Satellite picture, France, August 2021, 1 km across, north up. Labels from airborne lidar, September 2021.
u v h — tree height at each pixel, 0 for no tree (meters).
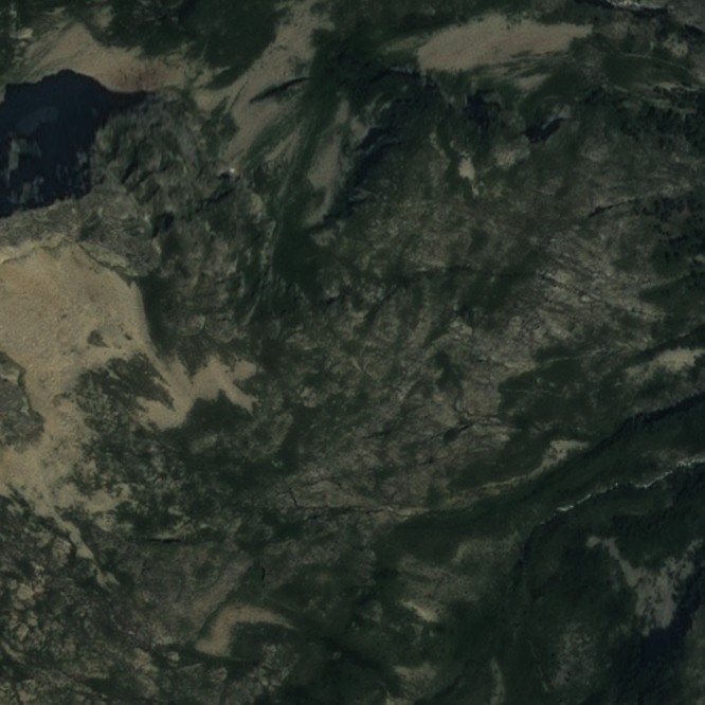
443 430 0
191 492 0
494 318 0
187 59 0
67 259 0
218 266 0
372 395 0
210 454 0
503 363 0
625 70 0
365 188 0
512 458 0
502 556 0
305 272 0
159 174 0
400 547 0
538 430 0
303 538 0
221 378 0
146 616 0
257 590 0
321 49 0
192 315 0
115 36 0
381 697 0
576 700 0
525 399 0
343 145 0
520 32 0
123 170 0
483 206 0
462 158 0
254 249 0
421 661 0
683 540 0
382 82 0
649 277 0
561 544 0
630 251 0
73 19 0
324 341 0
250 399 0
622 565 0
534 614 0
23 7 0
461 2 0
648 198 0
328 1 0
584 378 0
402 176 0
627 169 0
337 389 0
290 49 0
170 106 0
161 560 0
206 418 0
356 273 0
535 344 0
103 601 0
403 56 0
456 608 0
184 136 0
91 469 0
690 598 9
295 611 0
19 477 0
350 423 0
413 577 0
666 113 7
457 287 0
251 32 0
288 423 0
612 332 0
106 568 0
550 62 0
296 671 0
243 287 0
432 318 0
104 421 0
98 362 0
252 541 0
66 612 0
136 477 0
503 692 0
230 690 0
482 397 0
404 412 0
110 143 0
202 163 0
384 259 0
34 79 0
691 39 7
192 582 0
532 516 0
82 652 0
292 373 0
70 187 0
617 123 0
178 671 0
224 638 0
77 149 0
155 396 0
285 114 0
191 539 0
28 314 0
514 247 0
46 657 0
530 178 0
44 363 0
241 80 0
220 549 0
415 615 0
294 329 0
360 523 0
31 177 0
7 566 0
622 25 0
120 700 0
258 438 0
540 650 0
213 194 0
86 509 0
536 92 0
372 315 0
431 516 0
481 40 0
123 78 0
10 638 0
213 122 0
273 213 0
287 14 0
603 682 0
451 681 0
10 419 0
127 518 0
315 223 0
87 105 0
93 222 0
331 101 0
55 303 0
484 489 0
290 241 0
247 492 0
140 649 0
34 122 0
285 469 0
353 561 0
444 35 0
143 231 0
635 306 0
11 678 0
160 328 0
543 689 0
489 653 0
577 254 0
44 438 0
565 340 0
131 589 0
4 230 0
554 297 0
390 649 0
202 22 0
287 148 0
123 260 0
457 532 0
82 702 0
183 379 0
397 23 0
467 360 0
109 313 0
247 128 0
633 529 7
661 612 0
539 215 0
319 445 0
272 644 0
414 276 0
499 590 0
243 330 0
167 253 0
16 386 0
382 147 0
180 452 0
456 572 0
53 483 0
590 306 0
